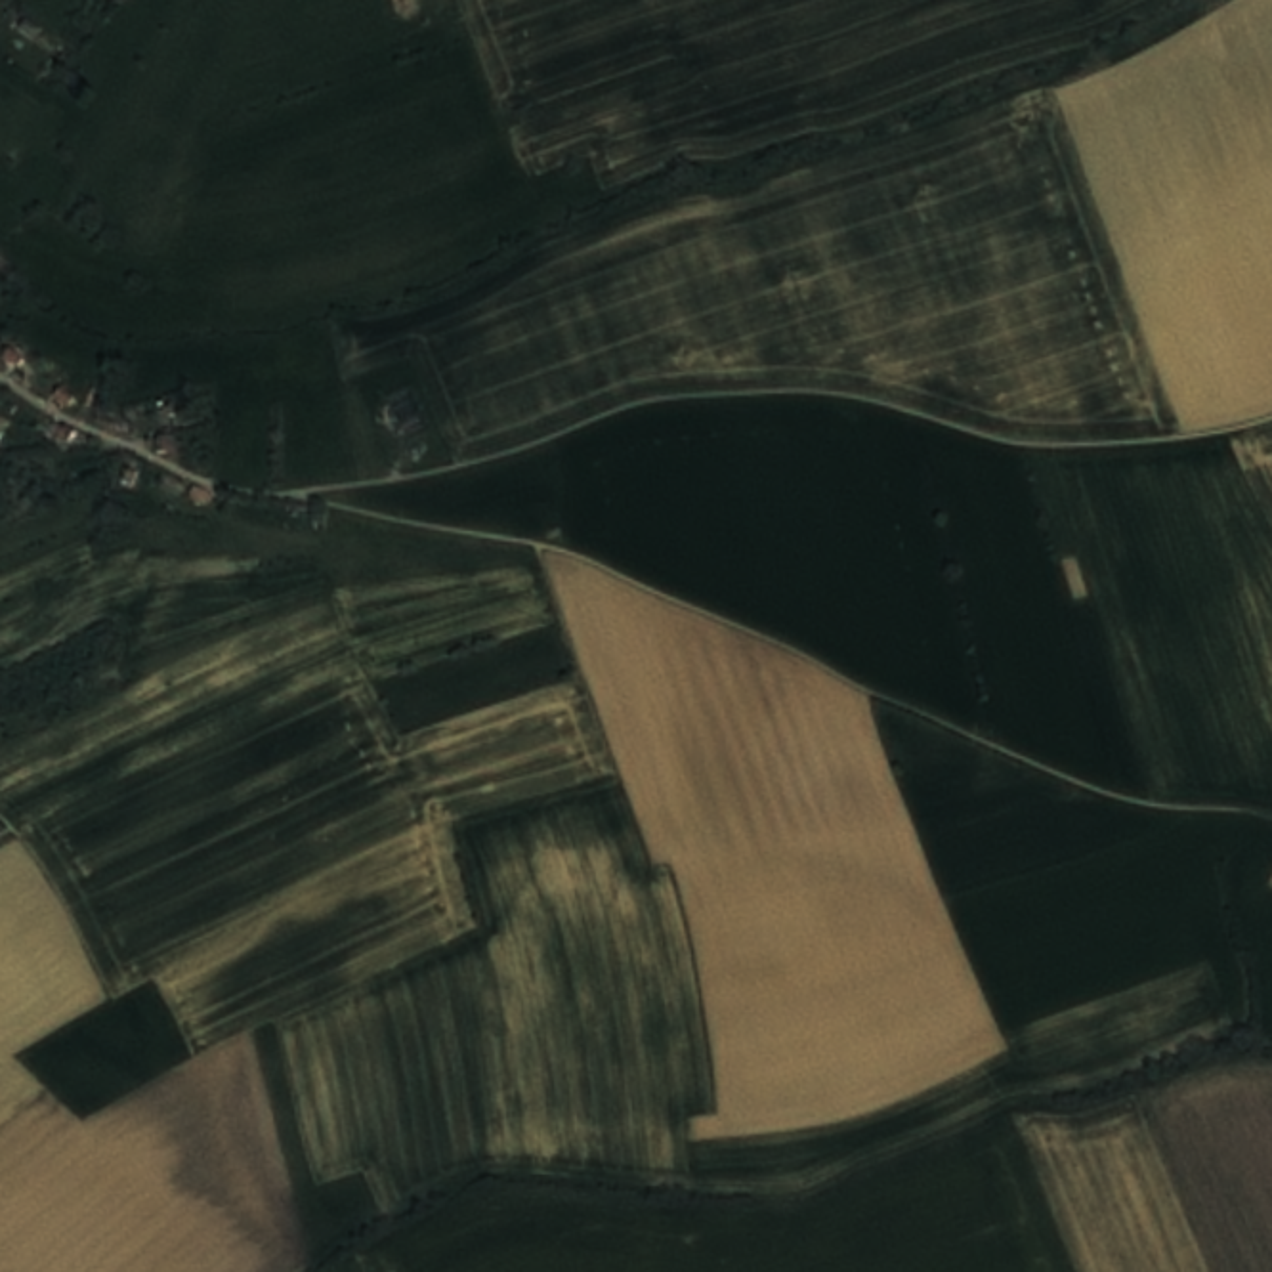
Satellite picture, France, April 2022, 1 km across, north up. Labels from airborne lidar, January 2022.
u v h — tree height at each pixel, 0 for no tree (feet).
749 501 0
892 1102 0
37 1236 0
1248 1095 0
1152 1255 0
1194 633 0
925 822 0
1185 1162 0
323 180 0
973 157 0
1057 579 0
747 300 0
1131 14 0
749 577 0
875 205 0
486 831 0
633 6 0
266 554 0
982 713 0
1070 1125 0
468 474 0
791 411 0
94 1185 0
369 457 0
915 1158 0
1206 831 0
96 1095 0
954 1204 0
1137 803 0
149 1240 0
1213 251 0
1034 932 0
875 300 0
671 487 0
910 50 0
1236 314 0
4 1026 0
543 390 0
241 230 0
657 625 0
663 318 0
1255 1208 0
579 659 0
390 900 0
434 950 0
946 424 0
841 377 0
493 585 0
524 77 0
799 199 0
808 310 0
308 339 0
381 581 0
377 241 0
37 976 0
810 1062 0
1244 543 0
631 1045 0
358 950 0
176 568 0
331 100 0
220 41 0
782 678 0
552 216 0
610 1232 0
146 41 0
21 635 0
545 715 0
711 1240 0
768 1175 0
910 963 0
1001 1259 0
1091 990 0
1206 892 0
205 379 0
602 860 0
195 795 0
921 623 0
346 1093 0
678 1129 0
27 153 0
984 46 0
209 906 0
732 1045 0
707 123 0
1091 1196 0
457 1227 0
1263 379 0
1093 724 0
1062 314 0
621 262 0
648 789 0
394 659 0
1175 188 0
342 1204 0
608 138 0
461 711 0
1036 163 0
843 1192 0
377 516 0
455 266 0
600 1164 0
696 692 0
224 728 0
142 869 0
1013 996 0
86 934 0
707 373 0
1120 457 0
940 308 0
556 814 0
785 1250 0
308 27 0
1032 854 0
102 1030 0
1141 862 0
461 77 0
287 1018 0
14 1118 0
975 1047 0
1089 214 0
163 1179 0
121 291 0
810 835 0
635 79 0
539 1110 0
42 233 0
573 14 0
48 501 27
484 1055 0
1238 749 0
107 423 0
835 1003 0
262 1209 0
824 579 0
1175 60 0
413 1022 0
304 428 0
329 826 0
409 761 0
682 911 0
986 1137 0
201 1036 0
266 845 0
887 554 0
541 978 0
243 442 0
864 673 0
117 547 43
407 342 0
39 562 0
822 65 0
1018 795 0
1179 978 0
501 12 0
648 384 0
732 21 0
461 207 0
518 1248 0
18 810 0
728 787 0
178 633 0
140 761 0
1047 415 0
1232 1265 0
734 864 0
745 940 0
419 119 0
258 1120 0
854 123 0
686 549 0
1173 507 0
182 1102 0
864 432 0
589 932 0
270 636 0
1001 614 0
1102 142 0
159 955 0
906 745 0
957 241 0
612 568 0
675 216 0
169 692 0
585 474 0
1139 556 0
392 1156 0
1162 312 0
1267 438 0
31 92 0
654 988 0
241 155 0
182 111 0
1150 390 0
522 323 0
